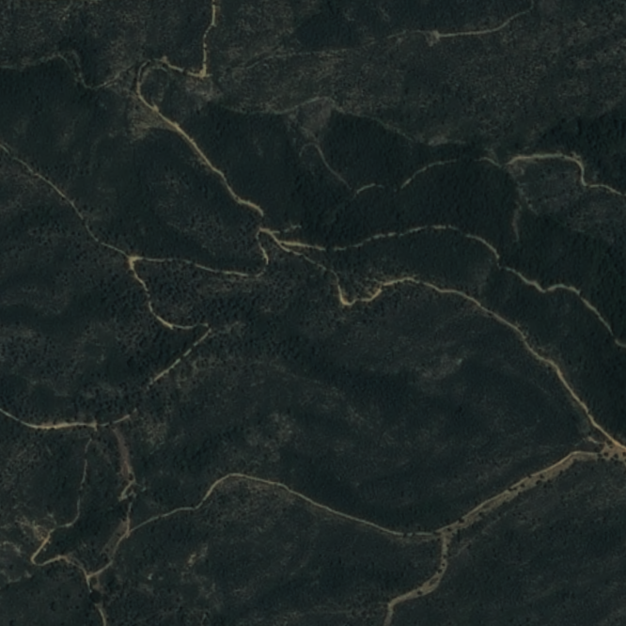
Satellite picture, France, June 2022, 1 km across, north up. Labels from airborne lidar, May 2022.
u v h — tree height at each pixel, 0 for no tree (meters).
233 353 8
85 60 8
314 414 7
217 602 0
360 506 6
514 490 6
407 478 6
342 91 6
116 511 11
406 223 8
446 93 6
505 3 7
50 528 0
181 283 10
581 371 6
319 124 0
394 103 5
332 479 8
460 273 6
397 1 6
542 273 6
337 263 10
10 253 9
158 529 11
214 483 0
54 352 12
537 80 7
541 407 6
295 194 11
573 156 7
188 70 7
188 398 6
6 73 8
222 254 8
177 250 7
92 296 9
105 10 7
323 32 7
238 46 7
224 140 8
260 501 0
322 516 0
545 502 0
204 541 5
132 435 9
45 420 10
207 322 12
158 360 13
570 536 7
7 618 0
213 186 7
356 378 8
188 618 7
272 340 10
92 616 13
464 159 7
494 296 6
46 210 10
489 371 8
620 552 6
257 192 6
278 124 7
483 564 6
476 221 7
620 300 6
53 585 0
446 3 6
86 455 8
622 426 8
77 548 6
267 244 10
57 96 7
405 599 0
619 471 0
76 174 7
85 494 10
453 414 7
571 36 6
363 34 7
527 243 7
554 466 0
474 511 0
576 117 11
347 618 0
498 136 8
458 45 6
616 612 0
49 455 11
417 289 8
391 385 8
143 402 13
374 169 8
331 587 7
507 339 7
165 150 10
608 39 9
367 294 7
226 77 0
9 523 0
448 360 0
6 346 11
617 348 6
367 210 7
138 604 9
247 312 9
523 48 0
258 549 0
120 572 0
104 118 6
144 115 0
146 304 8
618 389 7
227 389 7
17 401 12
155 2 7
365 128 9
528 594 5
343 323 9
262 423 7
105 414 8
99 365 0
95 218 0
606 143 12
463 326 7
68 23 10
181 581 0
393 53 7
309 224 9
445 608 8
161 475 0
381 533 0
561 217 7
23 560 0
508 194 6
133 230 6
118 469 7
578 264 7
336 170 6
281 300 10
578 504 0
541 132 9
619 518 9
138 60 8
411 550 0
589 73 10
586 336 8
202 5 7
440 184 8
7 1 8
